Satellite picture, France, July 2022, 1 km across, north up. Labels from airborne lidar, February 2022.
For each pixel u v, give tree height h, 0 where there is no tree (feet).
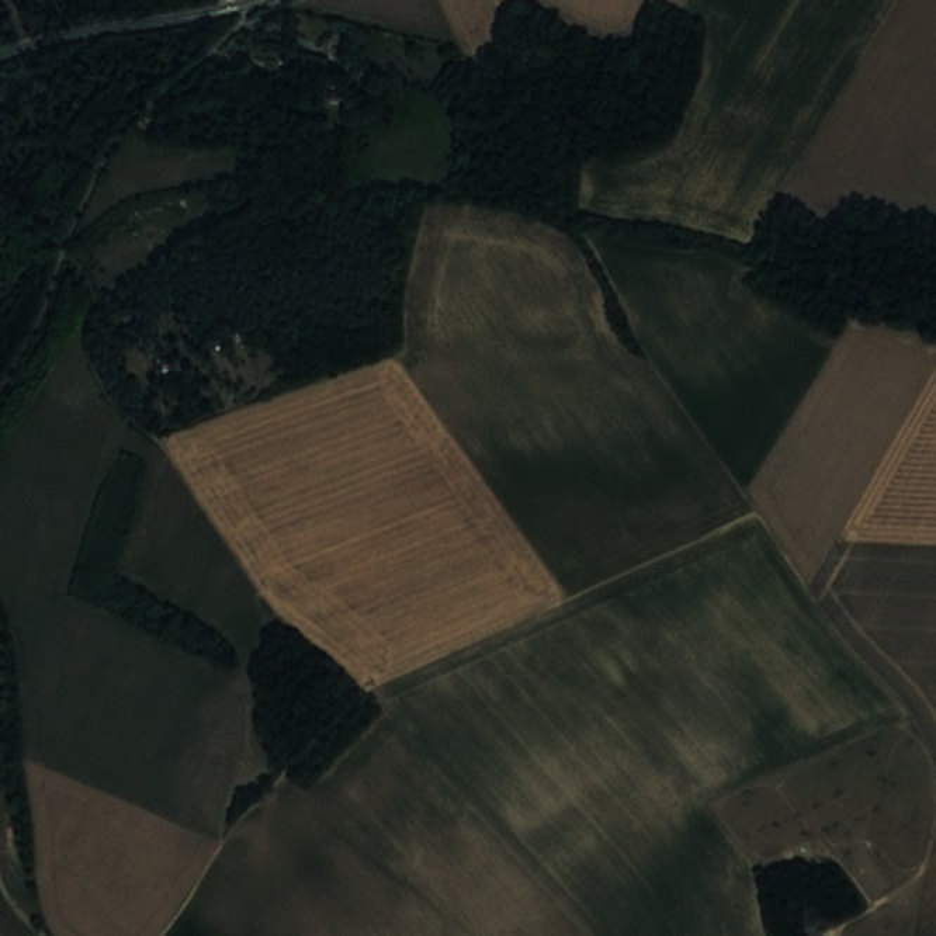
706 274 0
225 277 46
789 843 0
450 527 0
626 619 0
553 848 0
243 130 28
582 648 0
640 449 0
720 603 0
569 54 62
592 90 73
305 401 0
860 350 0
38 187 45
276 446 0
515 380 0
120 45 26
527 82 84
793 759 0
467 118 82
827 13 0
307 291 58
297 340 35
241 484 0
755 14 0
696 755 0
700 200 0
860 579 0
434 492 0
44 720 0
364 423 0
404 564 0
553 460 0
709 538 0
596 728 0
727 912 0
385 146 0
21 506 0
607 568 0
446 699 0
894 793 0
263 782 48
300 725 51
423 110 0
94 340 38
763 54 0
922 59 0
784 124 0
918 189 0
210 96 66
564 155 64
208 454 0
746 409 0
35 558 0
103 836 0
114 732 0
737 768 0
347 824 0
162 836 0
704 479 0
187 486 0
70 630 0
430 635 0
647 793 0
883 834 0
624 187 0
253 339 58
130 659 0
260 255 62
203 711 0
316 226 65
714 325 0
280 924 0
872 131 0
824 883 71
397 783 0
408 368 0
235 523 0
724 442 0
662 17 49
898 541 0
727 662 0
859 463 0
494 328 0
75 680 0
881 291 73
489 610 0
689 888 0
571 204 41
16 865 0
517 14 59
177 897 0
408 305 0
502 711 0
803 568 0
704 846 0
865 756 0
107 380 43
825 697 0
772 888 59
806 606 0
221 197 33
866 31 0
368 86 63
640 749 0
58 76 64
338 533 0
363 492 0
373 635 0
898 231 86
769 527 0
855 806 0
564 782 0
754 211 0
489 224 0
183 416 59
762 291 62
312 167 70
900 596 0
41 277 39
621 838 0
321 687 81
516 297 0
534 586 0
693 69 38
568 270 0
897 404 0
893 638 0
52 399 0
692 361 0
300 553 0
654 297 0
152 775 0
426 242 0
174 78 67
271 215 61
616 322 57
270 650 61
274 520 0
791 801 0
